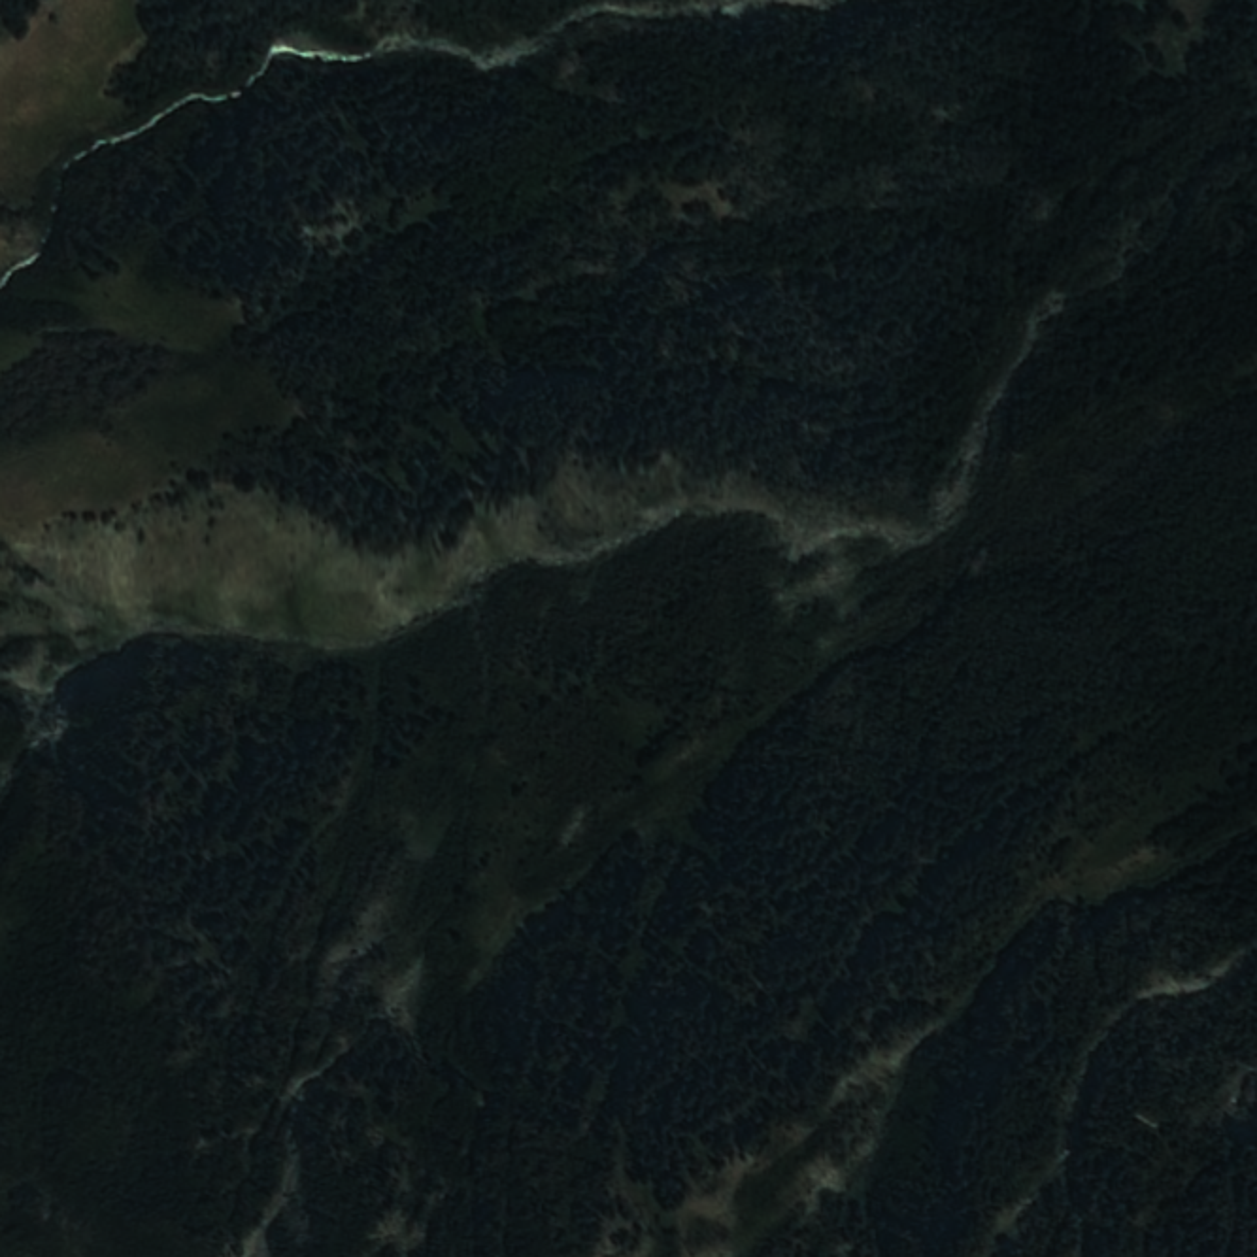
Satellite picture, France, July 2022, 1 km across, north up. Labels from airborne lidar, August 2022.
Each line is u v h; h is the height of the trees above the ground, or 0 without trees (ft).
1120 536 25
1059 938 32
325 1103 24
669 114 60
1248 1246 21
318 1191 21
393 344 60
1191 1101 28
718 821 40
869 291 100
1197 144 30
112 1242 0
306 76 72
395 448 60
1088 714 76
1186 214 81
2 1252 0
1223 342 35
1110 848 0
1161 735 21
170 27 75
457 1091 20
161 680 27
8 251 0
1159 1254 32
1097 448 20
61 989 19
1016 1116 47
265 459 38
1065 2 66
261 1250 0
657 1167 47
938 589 37
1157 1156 36
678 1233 23
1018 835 104
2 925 0
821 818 52
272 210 103
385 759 37
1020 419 31
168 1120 0
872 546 27
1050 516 21
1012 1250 41
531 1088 26
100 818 36
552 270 42
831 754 65
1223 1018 37
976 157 72
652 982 51
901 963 112
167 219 99
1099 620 65
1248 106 62
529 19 57
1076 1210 31
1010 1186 49
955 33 100
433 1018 19
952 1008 25
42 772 24
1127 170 50
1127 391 21
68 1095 22
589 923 21
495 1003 26
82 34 0
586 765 22
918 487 34
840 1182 77
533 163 47
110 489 0
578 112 53
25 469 0
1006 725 62
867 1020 87
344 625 0
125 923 26
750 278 40
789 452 75
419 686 39
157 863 30
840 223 69
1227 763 27
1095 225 24
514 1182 26
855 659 35
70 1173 0
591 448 63
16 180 0
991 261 59
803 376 89
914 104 63
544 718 19
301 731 27
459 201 54
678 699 23
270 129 106
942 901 125
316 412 39
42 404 22
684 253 39
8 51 0
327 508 25
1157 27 46
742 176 36
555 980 26
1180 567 49
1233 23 63
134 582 0
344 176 98
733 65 58
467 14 48
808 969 94
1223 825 41
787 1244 34
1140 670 63
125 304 0
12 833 18
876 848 106
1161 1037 65
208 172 118
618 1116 50
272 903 75
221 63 31
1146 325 48
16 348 0
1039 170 66
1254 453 47
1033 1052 89
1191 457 41
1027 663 57
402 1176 40
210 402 0
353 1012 24
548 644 31
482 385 36
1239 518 42
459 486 89
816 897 52
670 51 57
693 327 109
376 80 71
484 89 44
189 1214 17
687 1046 94
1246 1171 32
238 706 45
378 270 47
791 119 57
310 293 53
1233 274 63
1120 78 66
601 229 30
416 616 0
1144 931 39
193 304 0
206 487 38
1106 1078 36
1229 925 35
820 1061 35
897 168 75
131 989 27
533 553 0
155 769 34
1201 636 69
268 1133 33
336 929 20
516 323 65
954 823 76
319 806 33
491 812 0
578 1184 20
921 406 39
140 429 0
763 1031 90
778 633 31
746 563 30
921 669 59
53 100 0
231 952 97
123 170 26
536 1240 27
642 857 45
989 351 55
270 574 0
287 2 67
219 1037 78
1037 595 52
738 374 41
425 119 109
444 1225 29
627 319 48
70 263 27
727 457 29
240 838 89
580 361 49
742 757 32
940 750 62
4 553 73
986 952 30
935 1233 30
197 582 18
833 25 42
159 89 38
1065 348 41
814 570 27
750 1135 83
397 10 26
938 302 105
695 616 24
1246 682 40
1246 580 54
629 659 20
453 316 57
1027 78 38
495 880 0
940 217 57
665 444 50
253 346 43
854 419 40
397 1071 78
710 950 136
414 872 17
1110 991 22
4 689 27
